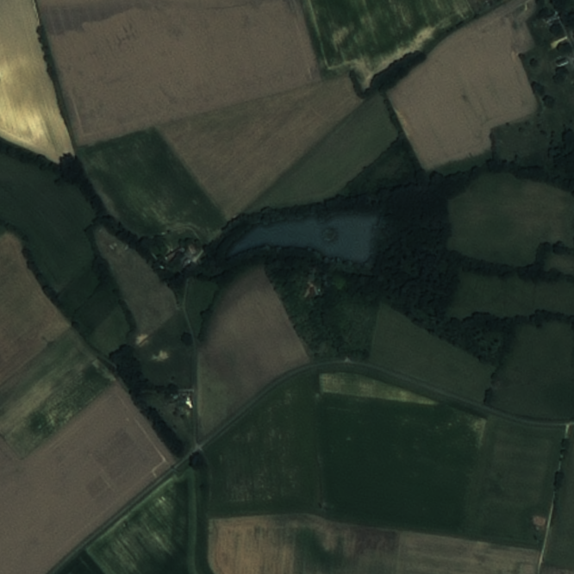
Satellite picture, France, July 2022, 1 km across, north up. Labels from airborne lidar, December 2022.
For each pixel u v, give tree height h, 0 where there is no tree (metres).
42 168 14
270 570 0
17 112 0
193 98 0
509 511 0
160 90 0
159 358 0
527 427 0
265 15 0
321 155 0
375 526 0
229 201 0
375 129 0
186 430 0
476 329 8
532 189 0
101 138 0
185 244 11
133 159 0
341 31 0
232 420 0
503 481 0
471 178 11
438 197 18
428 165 0
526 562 0
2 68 0
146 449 0
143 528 0
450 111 0
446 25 0
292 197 0
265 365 0
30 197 0
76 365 0
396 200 23
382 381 0
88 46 0
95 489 0
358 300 8
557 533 0
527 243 0
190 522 0
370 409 0
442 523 0
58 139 0
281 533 0
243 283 0
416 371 0
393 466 0
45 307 0
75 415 0
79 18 0
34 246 0
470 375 0
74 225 0
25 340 0
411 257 7
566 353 0
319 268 19
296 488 0
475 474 0
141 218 0
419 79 0
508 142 0
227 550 0
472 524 0
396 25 0
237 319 0
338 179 0
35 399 0
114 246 0
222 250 17
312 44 0
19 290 0
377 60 0
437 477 0
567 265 0
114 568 0
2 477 0
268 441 0
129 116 0
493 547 0
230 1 0
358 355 9
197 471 29
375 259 10
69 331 0
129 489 0
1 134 0
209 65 0
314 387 0
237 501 0
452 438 0
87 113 0
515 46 0
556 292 0
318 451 0
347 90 0
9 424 0
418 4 0
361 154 0
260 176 0
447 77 0
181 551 0
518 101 0
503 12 0
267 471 0
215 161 0
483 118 0
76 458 0
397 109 0
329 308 11
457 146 0
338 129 0
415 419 0
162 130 0
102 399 0
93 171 0
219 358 0
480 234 0
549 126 0
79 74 0
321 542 0
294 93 0
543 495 0
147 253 18
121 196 0
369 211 22
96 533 0
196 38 0
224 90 0
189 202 0
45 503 0
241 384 0
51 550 0
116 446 0
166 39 0
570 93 0
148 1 0
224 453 0
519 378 0
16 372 0
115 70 0
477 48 0
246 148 0
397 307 8
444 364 0
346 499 0
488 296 0
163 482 0
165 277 11
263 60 0
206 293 0
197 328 0
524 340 0
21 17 0
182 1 0
